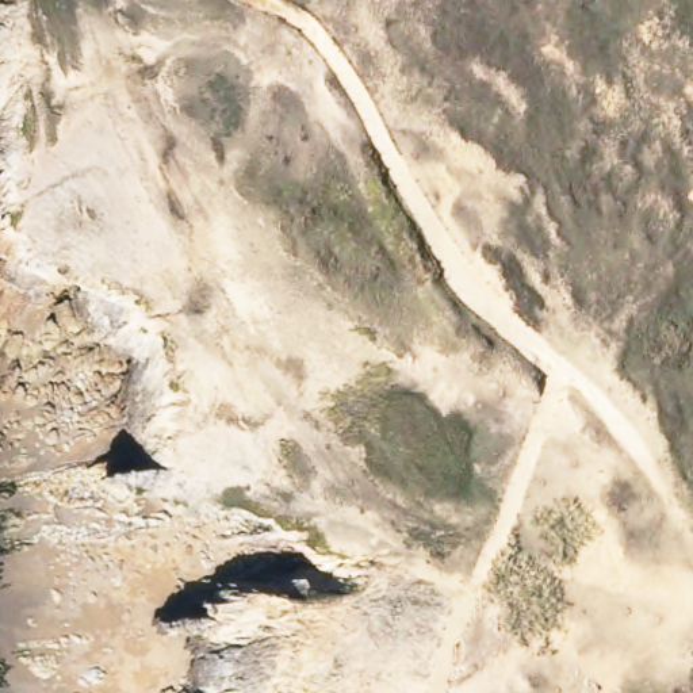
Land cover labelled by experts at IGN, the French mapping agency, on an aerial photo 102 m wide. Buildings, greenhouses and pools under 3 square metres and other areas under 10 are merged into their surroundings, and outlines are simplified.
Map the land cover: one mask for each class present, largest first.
<instances>
[{"label":"bare soil","instance_id":"1","mask_svg":"<svg viewBox=\"0 0 693 693\"><path fill-rule=\"evenodd\" d=\"M547 374L539 363L528 360L512 341L501 338L493 325H487L474 309H468L449 287L441 260L428 246L422 227L406 208L390 176V168L384 165L376 143L371 141L360 108L355 106L352 95L330 68V60L314 43V38H309L303 27L292 24L279 14L260 11L236 0H0V693H263L260 685L273 674L276 652H300L306 647V639H319V628H330L336 614L341 617V628H347V633H365L374 644H384L387 639L409 642L422 636L441 647V633H436L433 625L439 614L452 612V606L441 604V593L425 577L433 566L444 574H474L485 541L498 520L509 476L520 460V449L525 447L531 425L539 417ZM311 16L317 24H322L333 46L357 73L395 152L417 162H441L444 171L460 184L452 217L463 227L468 246L501 271L504 284L514 298V314L528 328L541 333L544 341L560 357L568 360L585 344L593 349L590 363L609 360L617 368V355L625 344L628 319L636 314L644 317L671 284V276L693 263V46L685 35H679L674 24L677 8L671 0H650L639 30L625 32L620 41L625 60L614 68L612 84L604 81V76L579 70V62L571 60V54L558 43V32L552 24L544 27L541 43V54L566 70V92L577 125L566 157H579L582 146H596L601 157L593 162L590 171H612L614 184L625 187L633 179V168L628 160H620V141L639 130L652 133V141L644 146L642 154L647 165V184L631 206L625 227L623 222H617L614 203L609 195H601V217H596L590 208H571L568 195L558 181L552 184V189L558 195L560 217L552 222L547 214L544 192L536 184L525 181L520 173H504L495 165L487 149L495 141V133H512L514 141L525 138V97L520 87L509 81L506 73L482 65L479 60H449L433 46L428 27L436 22L439 0H282ZM631 384L642 403L655 406L647 371H631L623 379ZM568 403L579 411L582 425L593 433L596 444L609 449L617 439L604 425L598 411L587 403V398L577 387H571ZM674 495L679 506L693 517V468H685L677 476ZM636 501V490L628 482H612L606 506L609 512H625L628 504ZM598 528V522L585 509L579 495H563L555 498L550 509H541L539 514L520 509L509 544L495 555L490 579L485 582V593H495L501 606H506L509 631L517 636L520 647L531 644L533 636L541 639L539 655H558V647L552 644V631H560V614L574 604L571 598H566L563 579L550 571V560L574 566L579 550L587 541H593V533ZM623 693H693V671L674 690L655 679H642L636 688H625Z\"/></svg>","mask_w":693,"mask_h":693},{"label":"pervious surface","instance_id":"2","mask_svg":"<svg viewBox=\"0 0 693 693\"><path fill-rule=\"evenodd\" d=\"M260 11L279 14L292 24L303 27L309 38H314V43L330 60V68L352 95L355 106L360 108L371 141L376 143L384 165L390 168V176L406 208L422 227L428 246L441 260L449 287L468 309H474L487 325H493L501 338L512 341L528 360L539 363L547 374L539 417L531 425L525 447L520 449V460L509 476L498 520L485 541L474 574H444L433 566L425 577L441 593V604L452 606V612L439 614L433 625L436 633H441V647L422 636L409 642L387 639L384 644H374L365 633H347V628H341V617L336 614L330 628H319V639H306V647L300 652H276L273 674L260 685L263 693H623L625 688H636L642 679H655L674 690L693 671V517L679 506L674 495L677 476L666 436L658 428L655 406L642 403L631 384L623 379L617 376V368L609 360L590 363L593 349L585 344L568 360L560 357L544 341L541 333L528 328L514 314V298L504 284L501 271L468 246L463 227L452 217L460 184L444 171L441 162H417L395 152L357 73L333 46L322 24H317L311 16L282 0H236ZM571 387H577L587 398V403L598 411L604 425L617 439L609 449L596 444L593 433L582 425L579 411L568 403ZM612 482H628L636 490V501L628 504L625 512H609L606 506ZM563 495H579L585 509L598 522V528L593 533V541H587L579 550L574 566L550 560V571L563 579L566 598H571L574 604L560 614V631H552V644L558 647V655H539L541 639L533 636L531 644L520 647L517 636L509 631L506 606H501L495 593H485V582L490 579L495 555L509 544L520 509L539 514L541 509H550L555 498Z\"/></svg>","mask_w":693,"mask_h":693},{"label":"herbaceous vegetation","instance_id":"3","mask_svg":"<svg viewBox=\"0 0 693 693\"><path fill-rule=\"evenodd\" d=\"M650 0H439L436 22L428 27L433 46L449 60H479L482 65L506 73L509 81L520 87L525 97V138L514 141L512 133H495V141L487 149L495 165L504 173H520L525 181L536 184L544 192L547 214L552 222L560 217L558 195L552 189V184L558 181L568 195L571 208H590L596 217H601V195H609L614 203L617 222H623L625 227L631 206L647 184V165L642 154L644 146L652 141V133L639 130L620 141V160H628L633 168V179L625 187L614 184L612 171H590L593 162L601 157L596 146H582L579 157H566L577 125L566 92V70L541 54V43L544 27L552 24L558 32V43L571 54V60L579 62V70L604 76V81L612 84L614 68L625 60L620 41L625 32L639 30ZM677 8L674 24L679 35H685L693 46V0H671ZM631 371H647L655 406L658 428L666 436L677 476L685 468H693V263L671 276V284L644 317L636 314L628 319L625 344L617 355V376L623 379Z\"/></svg>","mask_w":693,"mask_h":693}]
</instances>
